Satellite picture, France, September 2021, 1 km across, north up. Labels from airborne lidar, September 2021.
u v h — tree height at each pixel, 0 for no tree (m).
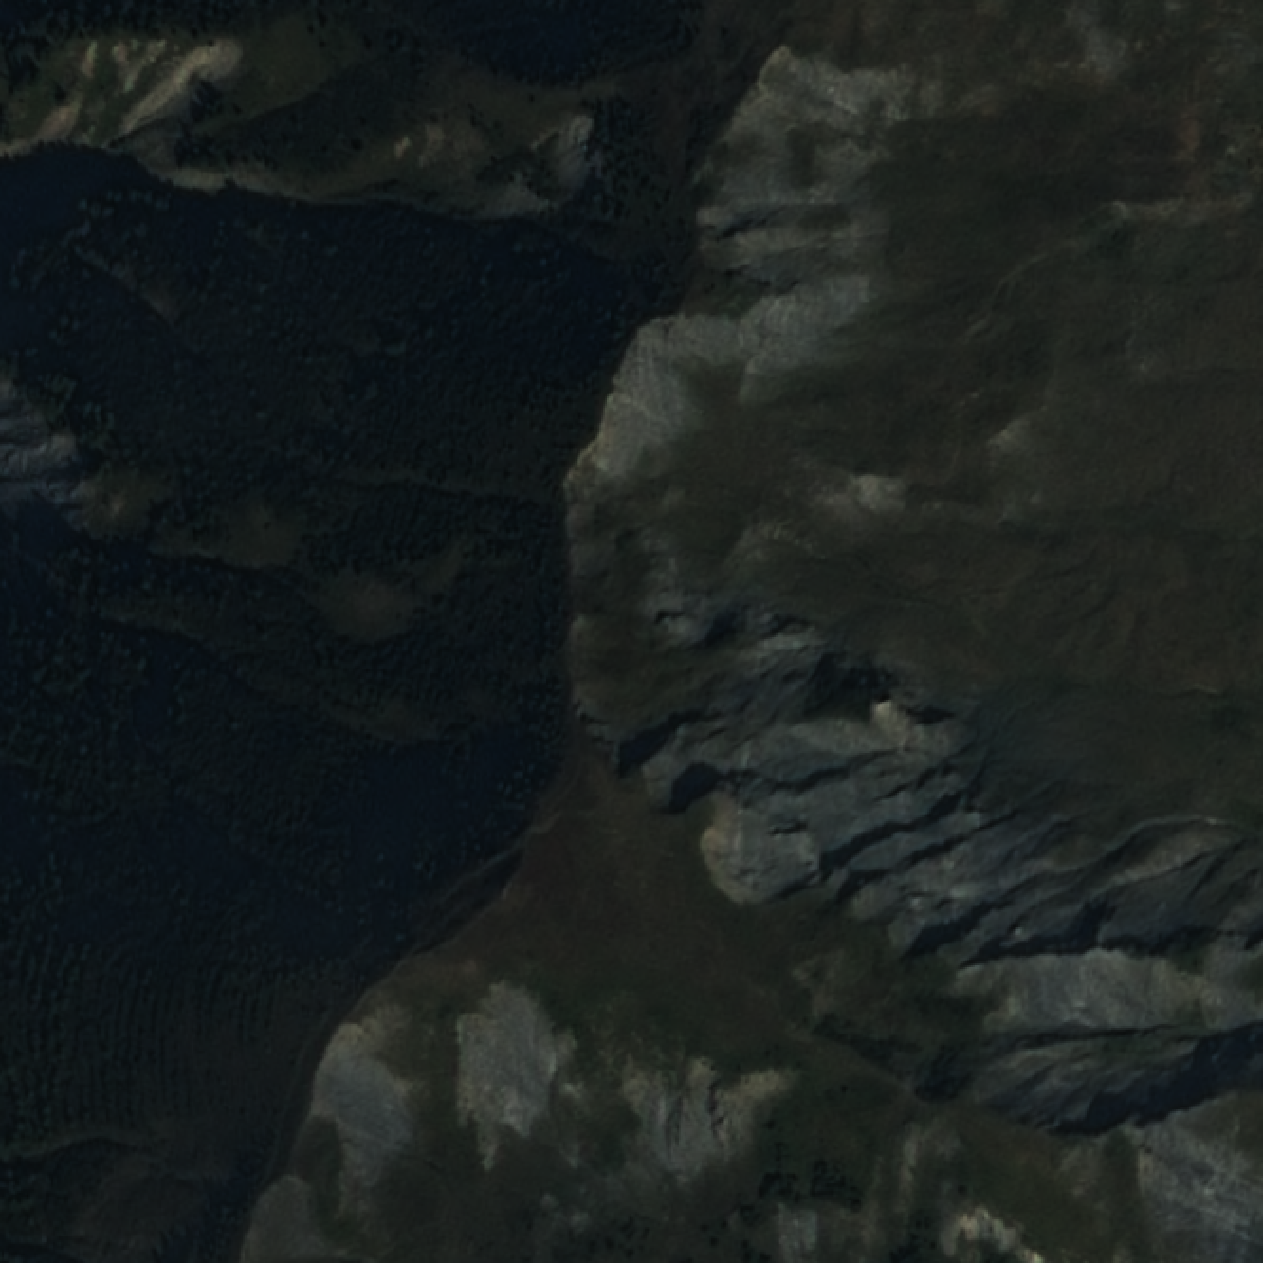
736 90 0
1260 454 0
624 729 0
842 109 0
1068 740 0
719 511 0
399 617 0
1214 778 0
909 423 0
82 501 0
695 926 0
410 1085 0
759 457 0
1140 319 0
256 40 0
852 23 0
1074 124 0
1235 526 0
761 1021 0
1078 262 0
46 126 0
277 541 0
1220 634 0
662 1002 0
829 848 0
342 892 0
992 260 0
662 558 0
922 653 0
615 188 7
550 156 0
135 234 11
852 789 0
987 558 0
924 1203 0
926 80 0
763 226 0
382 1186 0
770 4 0
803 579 0
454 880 0
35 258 11
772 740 0
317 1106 0
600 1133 0
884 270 0
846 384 0
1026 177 0
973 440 0
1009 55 0
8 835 9
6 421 0
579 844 0
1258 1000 0
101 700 10
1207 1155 0
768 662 0
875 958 0
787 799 0
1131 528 0
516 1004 0
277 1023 0
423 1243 0
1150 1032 0
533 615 0
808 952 0
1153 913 0
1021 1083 0
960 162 0
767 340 0
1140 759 0
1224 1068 0
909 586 0
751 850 0
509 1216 0
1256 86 0
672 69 0
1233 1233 0
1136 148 0
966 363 0
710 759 0
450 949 0
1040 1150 0
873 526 0
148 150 0
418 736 0
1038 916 0
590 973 0
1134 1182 0
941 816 0
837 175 0
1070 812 0
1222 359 0
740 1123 0
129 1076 7
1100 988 0
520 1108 0
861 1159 0
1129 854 0
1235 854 0
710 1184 0
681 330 0
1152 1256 0
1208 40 0
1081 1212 0
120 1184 0
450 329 7
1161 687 0
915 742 0
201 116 8
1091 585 0
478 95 0
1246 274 0
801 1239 0
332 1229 0
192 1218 0
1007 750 0
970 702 0
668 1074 0
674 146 0
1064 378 0
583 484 0
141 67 0
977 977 0
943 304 0
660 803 0
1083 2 0
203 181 0
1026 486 0
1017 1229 0
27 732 8
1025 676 0
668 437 0
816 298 0
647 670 0
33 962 6
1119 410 0
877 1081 0
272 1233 0
